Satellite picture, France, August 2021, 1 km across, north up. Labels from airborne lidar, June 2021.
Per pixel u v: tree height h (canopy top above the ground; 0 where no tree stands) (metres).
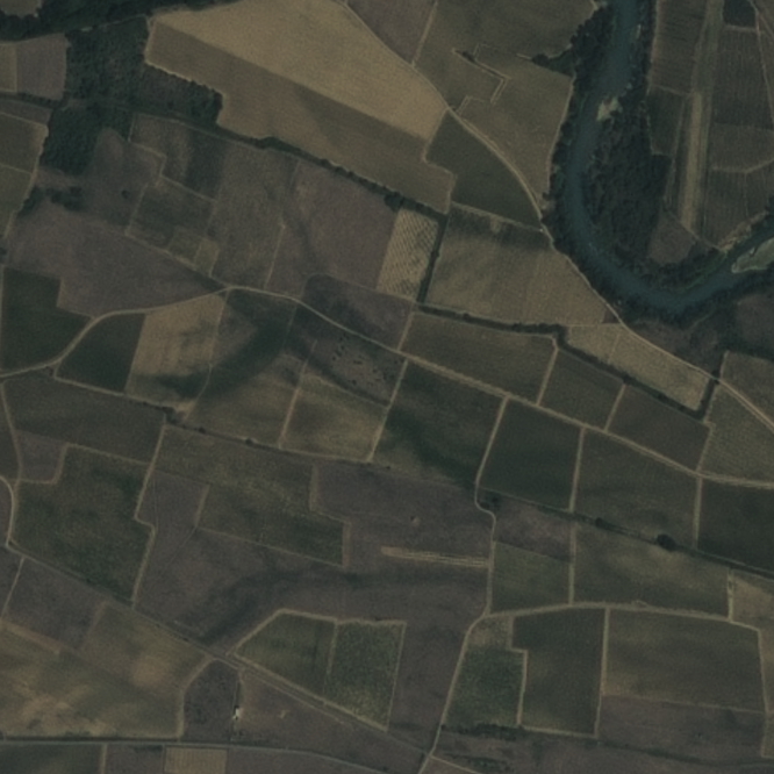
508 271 0
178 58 0
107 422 0
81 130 10
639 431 0
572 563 0
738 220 0
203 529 0
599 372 0
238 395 0
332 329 0
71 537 0
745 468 0
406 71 0
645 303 9
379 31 0
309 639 0
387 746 0
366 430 0
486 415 0
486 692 0
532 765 0
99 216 0
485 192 0
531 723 0
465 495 0
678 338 0
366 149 0
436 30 0
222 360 0
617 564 0
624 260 8
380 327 0
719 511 0
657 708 0
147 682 0
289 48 0
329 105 0
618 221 11
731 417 0
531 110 0
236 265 0
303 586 0
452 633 0
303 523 0
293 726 0
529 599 0
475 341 0
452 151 0
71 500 0
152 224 0
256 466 0
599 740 0
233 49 0
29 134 0
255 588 0
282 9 0
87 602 0
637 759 0
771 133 0
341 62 0
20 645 0
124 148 0
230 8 0
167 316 0
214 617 0
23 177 0
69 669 0
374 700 0
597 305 0
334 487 0
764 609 0
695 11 0
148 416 0
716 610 0
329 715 0
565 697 0
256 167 0
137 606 0
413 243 0
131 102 11
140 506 0
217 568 0
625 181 10
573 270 0
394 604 0
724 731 0
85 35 12
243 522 0
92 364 0
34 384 0
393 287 0
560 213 15
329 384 0
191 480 0
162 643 0
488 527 0
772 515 0
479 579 0
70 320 0
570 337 0
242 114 0
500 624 0
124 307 0
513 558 0
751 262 0
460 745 0
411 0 0
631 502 0
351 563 0
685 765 0
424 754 0
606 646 0
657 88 0
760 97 0
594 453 0
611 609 0
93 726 0
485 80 0
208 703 0
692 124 0
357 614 0
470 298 0
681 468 0
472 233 0
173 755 0
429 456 0
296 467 0
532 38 0
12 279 0
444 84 0
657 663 0
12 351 0
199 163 0
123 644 0
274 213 0
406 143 0
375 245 0
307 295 0
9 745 0
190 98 5
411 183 0
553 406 0
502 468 0
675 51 0
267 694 0
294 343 0
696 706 0
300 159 0
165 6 9
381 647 0
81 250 0
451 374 0
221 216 0
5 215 0
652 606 0
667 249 0
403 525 0
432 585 0
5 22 12
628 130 9
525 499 0
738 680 0
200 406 0
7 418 0
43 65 0
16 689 0
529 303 0
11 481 0
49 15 16
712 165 0
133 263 0
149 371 0
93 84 6
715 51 0
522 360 0
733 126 0
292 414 0
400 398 0
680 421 0
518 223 0
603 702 0
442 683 0
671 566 0
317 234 0
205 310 0
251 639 0
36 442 0
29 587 0
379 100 0
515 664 0
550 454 0
